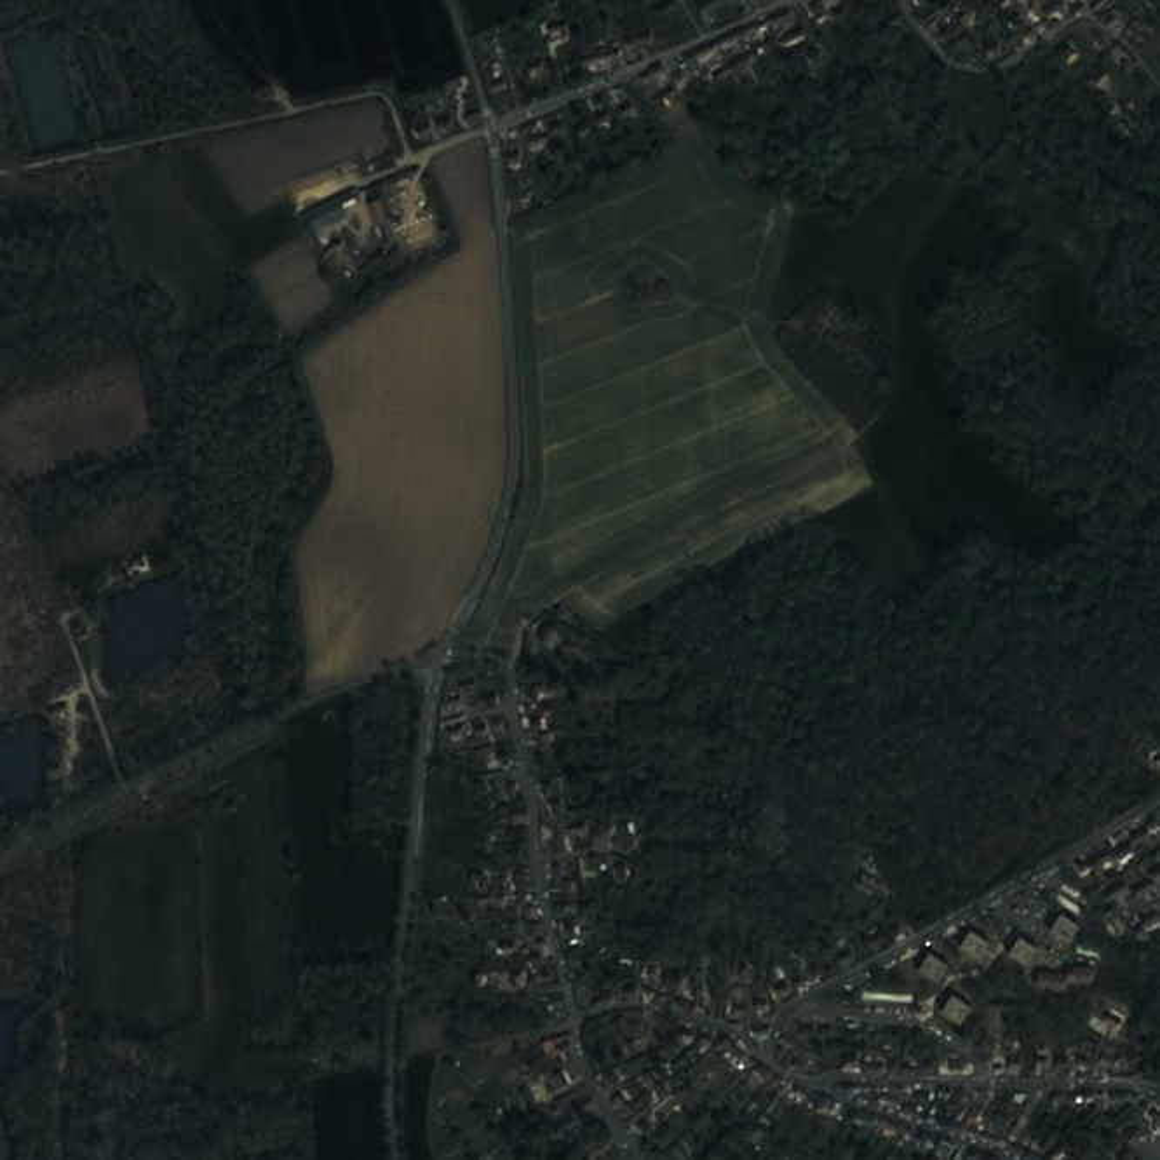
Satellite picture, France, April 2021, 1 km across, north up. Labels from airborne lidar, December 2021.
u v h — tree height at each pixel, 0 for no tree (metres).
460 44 0
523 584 0
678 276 0
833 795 24
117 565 8
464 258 0
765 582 27
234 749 36
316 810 0
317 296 0
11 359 19
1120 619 28
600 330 0
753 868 21
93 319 12
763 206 0
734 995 0
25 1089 20
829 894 23
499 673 9
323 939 0
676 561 0
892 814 20
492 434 0
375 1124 0
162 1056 36
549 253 0
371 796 19
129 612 0
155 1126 19
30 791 0
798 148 29
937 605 24
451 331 0
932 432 0
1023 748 24
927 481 0
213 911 0
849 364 7
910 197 0
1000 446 13
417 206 0
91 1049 16
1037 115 7
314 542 0
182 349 8
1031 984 17
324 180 0
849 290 0
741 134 16
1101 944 20
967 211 0
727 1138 9
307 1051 10
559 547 0
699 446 0
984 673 24
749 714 22
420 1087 0
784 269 0
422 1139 0
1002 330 9
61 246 32
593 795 6
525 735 0
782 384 0
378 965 14
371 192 6
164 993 0
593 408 0
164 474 15
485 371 0
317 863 0
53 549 0
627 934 14
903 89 14
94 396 0
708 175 0
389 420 0
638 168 8
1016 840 23
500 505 0
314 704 0
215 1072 0
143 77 21
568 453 0
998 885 6
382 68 0
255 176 0
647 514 0
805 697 25
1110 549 26
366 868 0
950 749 25
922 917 7
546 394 0
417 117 7
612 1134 14
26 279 22
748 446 0
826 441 0
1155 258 23
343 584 0
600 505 0
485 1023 10
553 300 0
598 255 0
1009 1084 0
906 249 0
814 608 26
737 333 0
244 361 9
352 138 0
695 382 0
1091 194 17
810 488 0
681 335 0
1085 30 0
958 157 21
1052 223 0
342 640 0
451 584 0
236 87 6
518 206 0
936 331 7
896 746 23
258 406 18
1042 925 0
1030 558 24
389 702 22
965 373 6
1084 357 0
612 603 0
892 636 33
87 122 12
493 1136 10
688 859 14
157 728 7
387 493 0
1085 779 24
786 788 24
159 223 0
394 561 0
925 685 24
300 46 0
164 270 0
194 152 0
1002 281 7
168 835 0
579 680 13
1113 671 26
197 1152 37
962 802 22
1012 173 0
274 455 33
